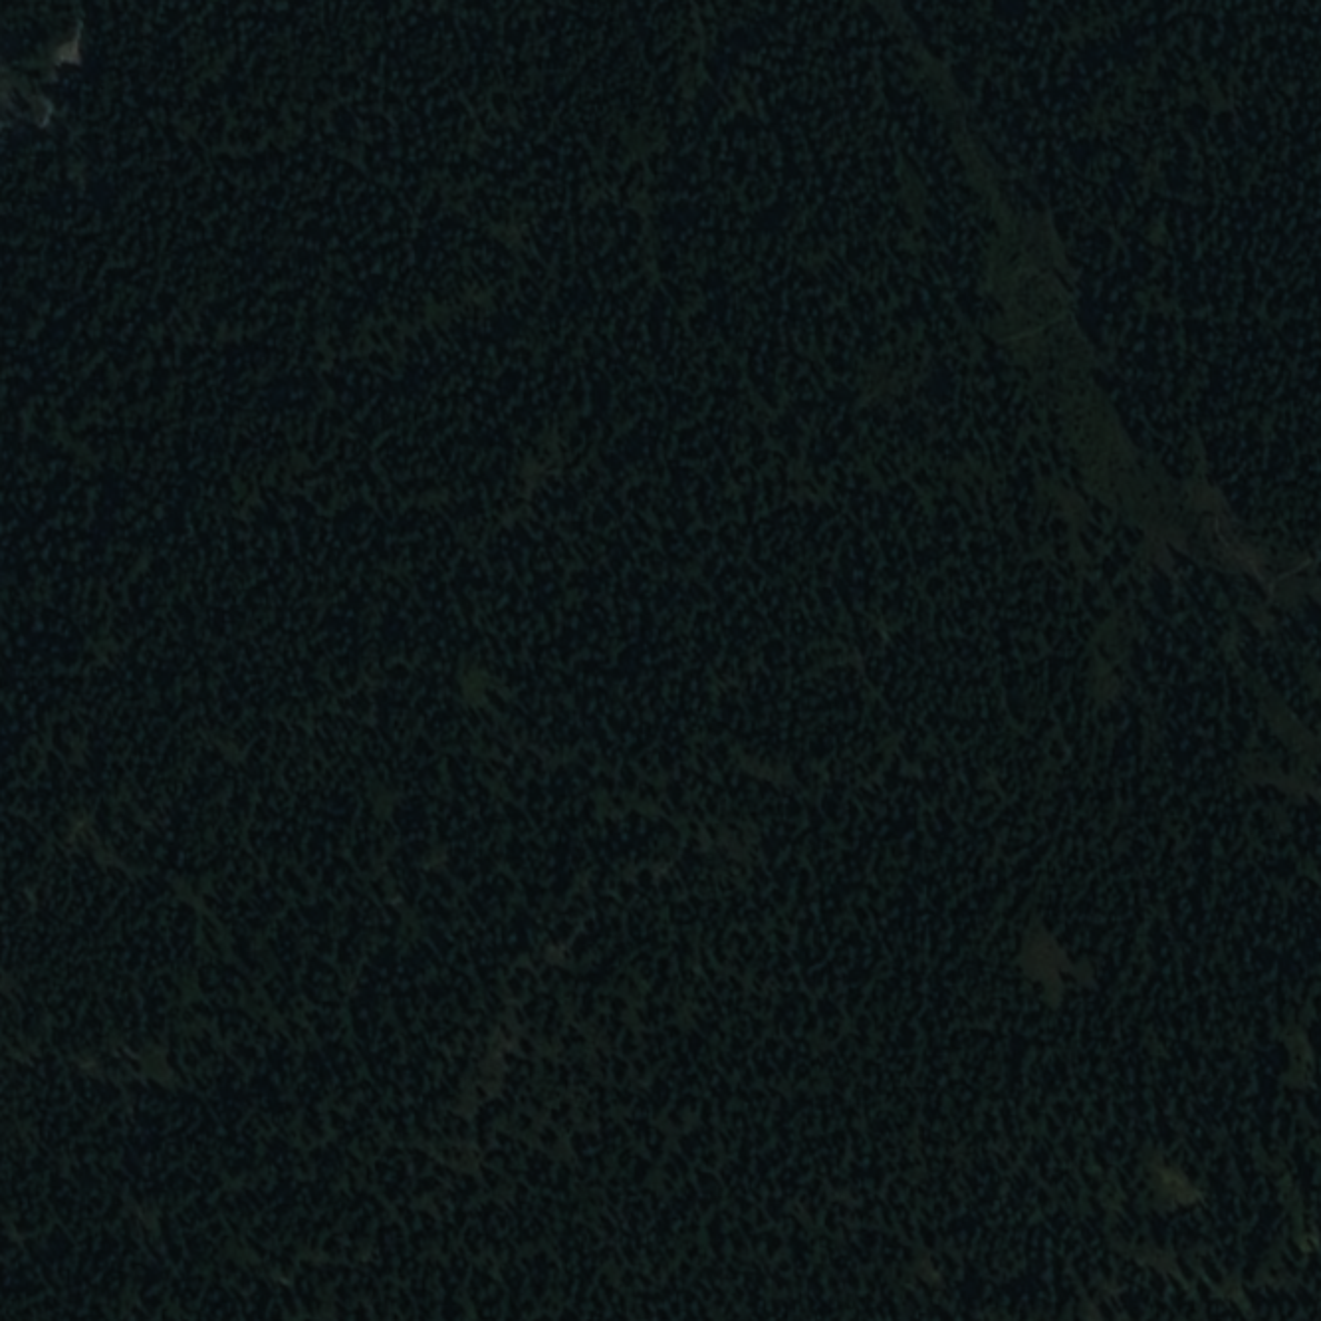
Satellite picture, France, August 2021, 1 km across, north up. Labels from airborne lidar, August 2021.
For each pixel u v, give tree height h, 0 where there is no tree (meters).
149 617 13
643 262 22
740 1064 8
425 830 17
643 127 16
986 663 23
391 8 28
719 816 19
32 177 12
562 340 19
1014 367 7
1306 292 12
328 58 20
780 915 16
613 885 12
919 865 19
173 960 21
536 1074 18
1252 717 21
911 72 27
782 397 22
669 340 22
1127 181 16
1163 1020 12
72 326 12
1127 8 22
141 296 15
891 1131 12
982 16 24
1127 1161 18
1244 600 18
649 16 22
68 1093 25
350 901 21
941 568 22
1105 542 18
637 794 17
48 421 27
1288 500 19
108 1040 15
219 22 11
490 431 12
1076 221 19
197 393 10
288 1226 23
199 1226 23
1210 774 15
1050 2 20
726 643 17
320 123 8
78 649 13
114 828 23
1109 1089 18
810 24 23
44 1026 21
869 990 16
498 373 26
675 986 16
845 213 26
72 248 21
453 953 20
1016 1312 15
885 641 19
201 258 14
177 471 15
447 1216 15
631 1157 12
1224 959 12
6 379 22
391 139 20
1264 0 23
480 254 23
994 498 13
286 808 24
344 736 23
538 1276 11
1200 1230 15
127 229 21
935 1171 9
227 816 21
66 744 14
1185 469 23
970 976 12
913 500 21
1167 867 11
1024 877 13
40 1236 26
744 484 15
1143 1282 19
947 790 20
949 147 14
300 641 19
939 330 22
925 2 24
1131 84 25
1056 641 19
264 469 17
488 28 24
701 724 22
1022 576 19
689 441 15
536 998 13
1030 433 19
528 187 22
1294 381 24
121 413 20
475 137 24
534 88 13
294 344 15
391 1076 21
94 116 21
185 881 21
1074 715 17
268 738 16
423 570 23
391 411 25
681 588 15
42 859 24
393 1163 11
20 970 19
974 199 19
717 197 24
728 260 20
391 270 22
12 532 32
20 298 16
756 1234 13
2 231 13
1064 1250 18
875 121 21
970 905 18
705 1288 6
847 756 17
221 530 23
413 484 12
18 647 24
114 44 17
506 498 9
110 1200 25
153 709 21
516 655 17
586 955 15
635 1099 11
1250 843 16
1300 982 15
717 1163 20
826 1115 9
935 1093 14
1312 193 22
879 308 26
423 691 21
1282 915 17
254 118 18
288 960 18
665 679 20
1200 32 23
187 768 21
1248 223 14
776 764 20
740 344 24
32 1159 24
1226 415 10
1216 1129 17
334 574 24
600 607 12
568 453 11
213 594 22
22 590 10
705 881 8
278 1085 13
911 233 27
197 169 25
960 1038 14
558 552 22
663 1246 13
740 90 29
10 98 0
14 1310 21
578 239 14
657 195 9
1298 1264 6
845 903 18
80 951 20
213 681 19
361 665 20
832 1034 8
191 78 20
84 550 18
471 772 11
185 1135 11
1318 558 13
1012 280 0
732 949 15
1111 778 15
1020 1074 15
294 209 19
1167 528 0
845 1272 13
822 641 19
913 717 19
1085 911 6
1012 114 17
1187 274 11
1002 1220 18
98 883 24
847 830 16
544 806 16
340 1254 13
